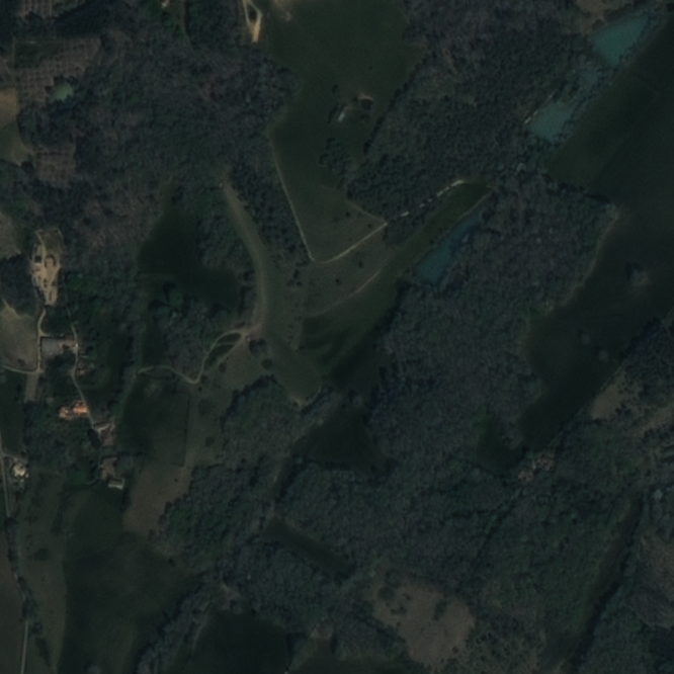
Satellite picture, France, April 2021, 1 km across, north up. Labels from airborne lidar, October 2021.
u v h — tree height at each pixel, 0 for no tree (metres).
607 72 12
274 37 0
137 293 10
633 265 0
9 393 0
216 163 24
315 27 0
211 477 13
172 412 0
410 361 22
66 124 28
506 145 19
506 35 22
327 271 0
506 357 25
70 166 14
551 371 0
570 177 0
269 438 25
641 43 6
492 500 16
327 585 16
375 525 24
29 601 15
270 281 0
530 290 18
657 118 0
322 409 15
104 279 18
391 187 20
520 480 6
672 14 0
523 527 24
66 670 0
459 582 16
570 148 0
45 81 10
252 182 24
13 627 0
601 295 0
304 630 22
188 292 0
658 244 0
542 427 0
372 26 0
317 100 0
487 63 16
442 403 22
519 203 26
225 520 21
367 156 18
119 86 22
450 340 26
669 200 0
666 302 0
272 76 15
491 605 23
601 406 0
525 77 15
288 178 0
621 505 27
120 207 18
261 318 0
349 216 11
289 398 25
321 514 27
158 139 24
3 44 15
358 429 0
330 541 18
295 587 28
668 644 8
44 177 10
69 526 0
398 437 27
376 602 0
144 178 19
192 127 27
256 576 22
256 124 23
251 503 24
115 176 21
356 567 15
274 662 0
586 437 22
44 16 9
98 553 0
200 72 16
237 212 0
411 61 0
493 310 23
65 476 21
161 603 0
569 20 21
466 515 16
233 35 18
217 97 20
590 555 28
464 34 13
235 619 0
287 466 0
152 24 13
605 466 25
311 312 0
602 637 23
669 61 0
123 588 0
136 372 20
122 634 0
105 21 23
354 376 0
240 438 19
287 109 13
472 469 18
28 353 0
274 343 0
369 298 0
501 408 25
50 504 0
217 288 0
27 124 20
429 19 8
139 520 0
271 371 0
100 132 17
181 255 0
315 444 0
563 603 26
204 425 0
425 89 22
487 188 0
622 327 0
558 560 26
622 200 0
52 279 0
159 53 19
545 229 21
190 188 24
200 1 23
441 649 0
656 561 8
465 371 20
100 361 6
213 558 25
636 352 17
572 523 20
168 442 0
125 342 0
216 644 0
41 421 25
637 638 16
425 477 22
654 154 0
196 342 23
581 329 0
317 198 0
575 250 21
